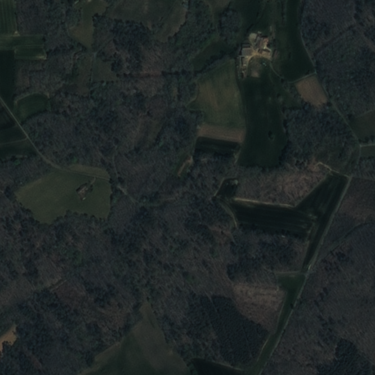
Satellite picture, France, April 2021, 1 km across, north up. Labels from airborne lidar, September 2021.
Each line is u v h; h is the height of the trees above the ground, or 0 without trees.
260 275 23
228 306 19
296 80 0
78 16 21
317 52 9
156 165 20
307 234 0
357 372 18
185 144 26
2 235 17
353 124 0
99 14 0
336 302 15
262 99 0
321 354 9
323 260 7
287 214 0
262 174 15
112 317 6
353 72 25
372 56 27
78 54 0
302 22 14
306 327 12
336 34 20
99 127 22
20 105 0
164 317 11
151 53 13
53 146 22
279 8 0
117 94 18
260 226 0
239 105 0
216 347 31
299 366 9
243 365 16
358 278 13
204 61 0
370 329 14
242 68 0
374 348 7
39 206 0
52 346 27
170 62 17
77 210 0
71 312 20
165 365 0
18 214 16
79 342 19
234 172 17
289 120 9
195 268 17
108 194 0
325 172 19
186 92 24
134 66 24
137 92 28
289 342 7
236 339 20
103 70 0
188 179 19
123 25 16
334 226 7
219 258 17
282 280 0
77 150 22
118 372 0
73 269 12
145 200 21
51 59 13
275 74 0
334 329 13
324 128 29
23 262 12
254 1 0
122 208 18
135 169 16
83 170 0
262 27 0
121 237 17
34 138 12
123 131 19
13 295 19
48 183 0
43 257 13
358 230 15
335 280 12
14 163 19
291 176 0
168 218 16
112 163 14
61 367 21
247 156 0
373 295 8
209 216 22
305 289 7
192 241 13
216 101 0
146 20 0
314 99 0
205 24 23
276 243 17
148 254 17
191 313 20
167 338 17
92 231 19
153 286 20
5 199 11
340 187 0
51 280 20
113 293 23
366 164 16
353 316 13
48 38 15
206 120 0
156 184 20
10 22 0
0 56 0
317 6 17
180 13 0
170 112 10
